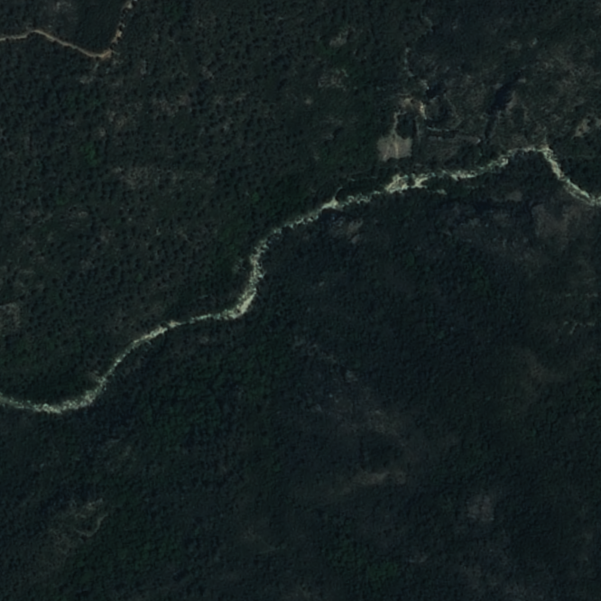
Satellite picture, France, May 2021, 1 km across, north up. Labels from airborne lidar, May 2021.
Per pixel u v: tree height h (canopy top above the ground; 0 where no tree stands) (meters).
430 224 8
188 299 18
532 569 11
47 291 23
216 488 23
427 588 11
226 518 6
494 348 13
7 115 25
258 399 9
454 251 9
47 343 10
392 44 18
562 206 6
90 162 12
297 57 29
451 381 15
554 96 5
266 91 20
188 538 8
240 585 10
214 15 26
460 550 9
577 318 18
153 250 26
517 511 14
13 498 10
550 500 7
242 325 24
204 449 23
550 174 17
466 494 11
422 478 10
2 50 22
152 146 30
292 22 23
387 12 33
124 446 11
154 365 24
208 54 27
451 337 17
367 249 12
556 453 10
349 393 8
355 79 8
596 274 8
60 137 24
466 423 8
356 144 11
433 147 9
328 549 9
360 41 12
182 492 8
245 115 29
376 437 8
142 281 10
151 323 19
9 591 23
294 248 7
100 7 9
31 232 28
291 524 6
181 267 24
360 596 17
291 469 5
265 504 8
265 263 23
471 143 11
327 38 18
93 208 29
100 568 9
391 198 6
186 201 25
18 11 19
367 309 7
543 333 12
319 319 6
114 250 8
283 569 7
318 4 27
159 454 7
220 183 25
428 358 13
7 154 20
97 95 19
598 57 10
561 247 7
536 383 10
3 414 7
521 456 10
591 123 12
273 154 28
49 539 24
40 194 7
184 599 19
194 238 25
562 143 18
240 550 6
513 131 14
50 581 13
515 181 26
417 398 10
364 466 9
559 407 18
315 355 6
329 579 6
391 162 16
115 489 9
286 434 9
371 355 6
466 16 5
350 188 11
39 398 19
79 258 5
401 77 9
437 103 9
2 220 19
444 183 18
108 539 29
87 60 14
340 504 6
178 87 27
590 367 18
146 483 13
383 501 7
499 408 13
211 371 11
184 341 5
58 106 22
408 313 14
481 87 16
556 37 17
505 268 8
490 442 16
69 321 7
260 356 15
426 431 11
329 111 6
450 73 6
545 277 10
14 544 19
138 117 7
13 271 20
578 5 7
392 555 12
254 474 7
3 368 7
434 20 34
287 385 8
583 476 18
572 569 8
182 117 6
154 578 6
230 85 33
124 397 8
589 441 11
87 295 24
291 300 12
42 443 10
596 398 20
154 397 15
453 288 9
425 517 20
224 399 9
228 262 18
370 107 12
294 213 27
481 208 13
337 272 9
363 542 8
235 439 28
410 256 22
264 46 26
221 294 18
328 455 7
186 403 20
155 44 22
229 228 12
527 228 8
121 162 20
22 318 6
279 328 28
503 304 13
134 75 24
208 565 25
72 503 15
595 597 7
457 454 12
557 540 15
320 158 8
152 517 13
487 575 12
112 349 19
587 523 14
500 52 8
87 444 8
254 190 10
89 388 13
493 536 11
